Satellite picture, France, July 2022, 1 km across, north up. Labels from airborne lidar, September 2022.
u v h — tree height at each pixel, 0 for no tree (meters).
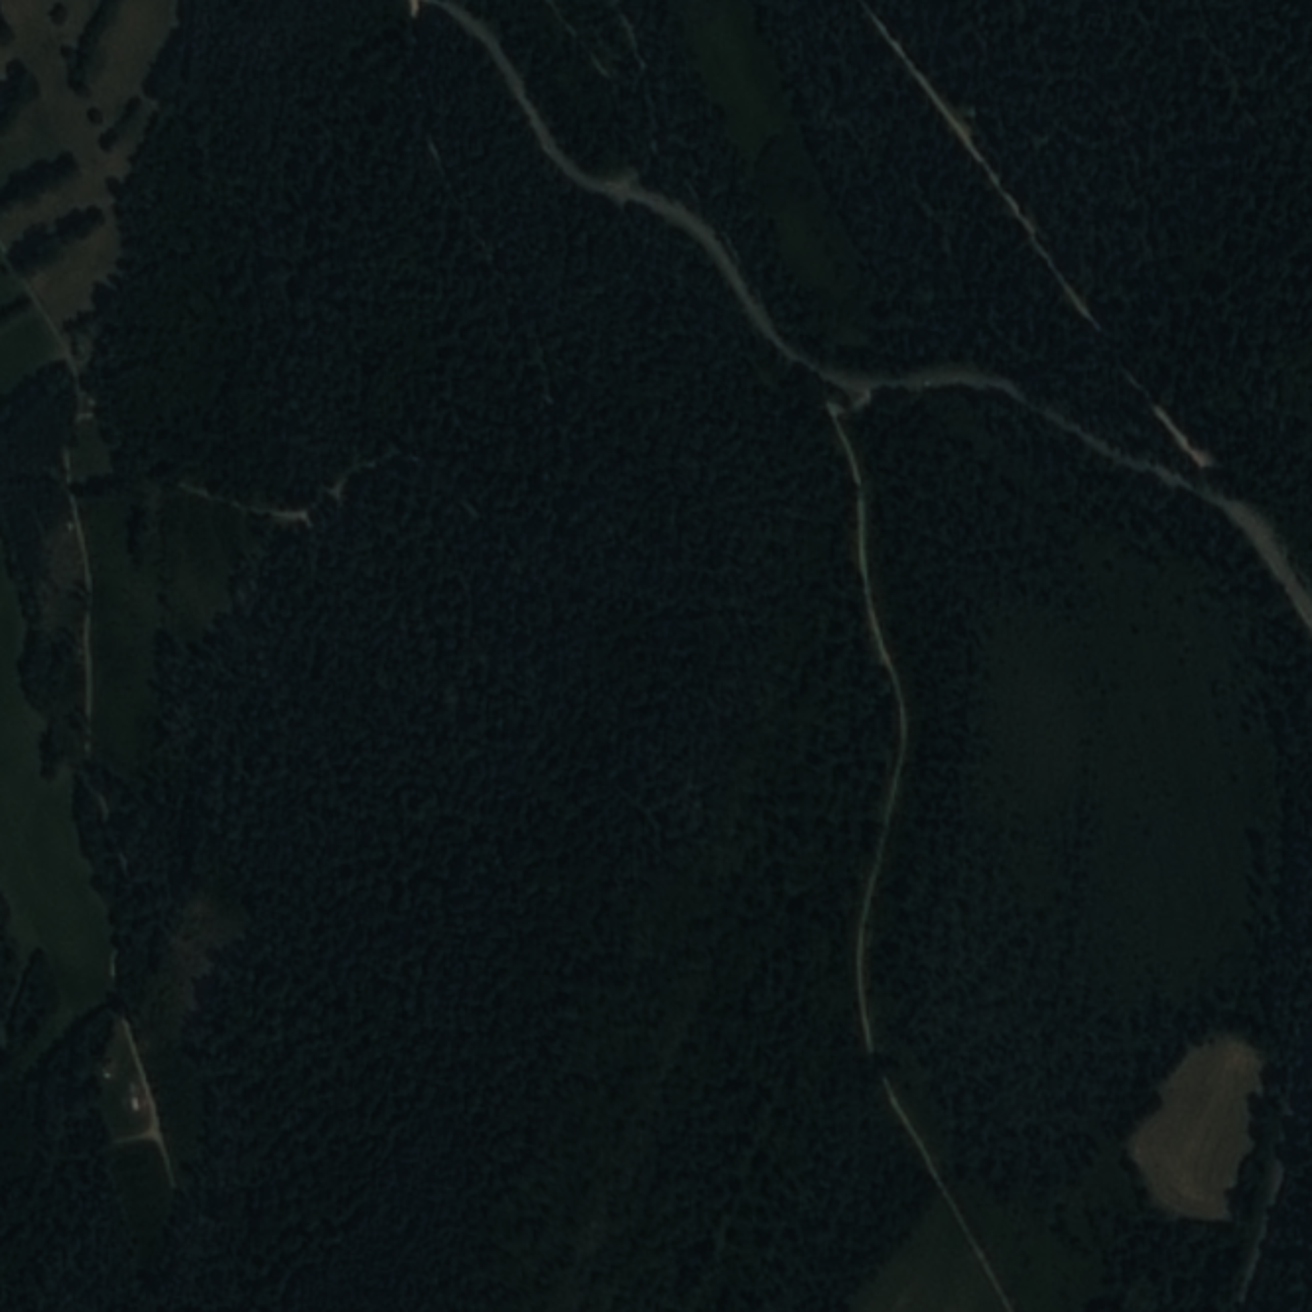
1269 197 22
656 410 21
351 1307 19
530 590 28
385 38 14
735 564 21
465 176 16
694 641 20
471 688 20
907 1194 14
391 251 20
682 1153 29
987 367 12
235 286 22
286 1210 22
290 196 17
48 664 18
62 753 6
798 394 11
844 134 11
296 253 10
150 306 8
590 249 24
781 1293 13
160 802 29
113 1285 20
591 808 24
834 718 24
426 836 18
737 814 21
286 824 21
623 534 16
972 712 9
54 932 0
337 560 13
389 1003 16
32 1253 7
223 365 13
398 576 23
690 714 20
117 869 17
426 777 16
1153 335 27
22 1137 8
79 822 13
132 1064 0
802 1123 15
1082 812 8
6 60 0
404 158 17
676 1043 15
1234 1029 23
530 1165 20
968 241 16
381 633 17
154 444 11
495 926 20
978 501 7
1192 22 19
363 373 7
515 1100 24
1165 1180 0
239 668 24
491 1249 22
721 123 17
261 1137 22
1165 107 25
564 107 16
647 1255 22
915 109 18
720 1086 21
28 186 19
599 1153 10
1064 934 8
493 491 26
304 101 20
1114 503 12
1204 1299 9
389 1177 21
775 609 21
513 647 23
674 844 21
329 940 21
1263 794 7
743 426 19
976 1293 0
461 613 25
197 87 18
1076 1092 14
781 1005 18
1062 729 0
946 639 17
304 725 18
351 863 16
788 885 9
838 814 9
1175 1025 20
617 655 22
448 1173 20
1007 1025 10
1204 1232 8
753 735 24
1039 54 27
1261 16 22
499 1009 18
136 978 16
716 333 23
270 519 6
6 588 0
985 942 15
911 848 17
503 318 21
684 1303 20
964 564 16
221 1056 20
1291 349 22
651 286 24
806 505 22
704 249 16
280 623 20
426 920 25
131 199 10
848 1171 16
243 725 29
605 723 22
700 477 21
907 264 22
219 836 24
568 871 24
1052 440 13
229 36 22
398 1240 23
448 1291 22
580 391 23
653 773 20
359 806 23
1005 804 11
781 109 0
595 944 6
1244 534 14
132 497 16
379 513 22
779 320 19
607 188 0
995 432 18
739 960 27
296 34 23
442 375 14
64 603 0
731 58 0
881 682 17
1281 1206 8
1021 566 13
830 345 24
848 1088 10
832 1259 19
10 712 0
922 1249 0
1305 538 8
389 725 18
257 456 16
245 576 25
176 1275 14
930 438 12
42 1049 0
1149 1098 16
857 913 8
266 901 20
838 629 23
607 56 7
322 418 23
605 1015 19
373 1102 16
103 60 0
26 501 21
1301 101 12
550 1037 24
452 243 22
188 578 0
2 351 0
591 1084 19
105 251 0
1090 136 23
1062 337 22
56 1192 10
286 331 11
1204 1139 0
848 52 19
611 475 22
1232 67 5
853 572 39
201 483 11
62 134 0
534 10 14
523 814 20
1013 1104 20
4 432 21
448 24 25
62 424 18
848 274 6
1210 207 24
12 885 0
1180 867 0
